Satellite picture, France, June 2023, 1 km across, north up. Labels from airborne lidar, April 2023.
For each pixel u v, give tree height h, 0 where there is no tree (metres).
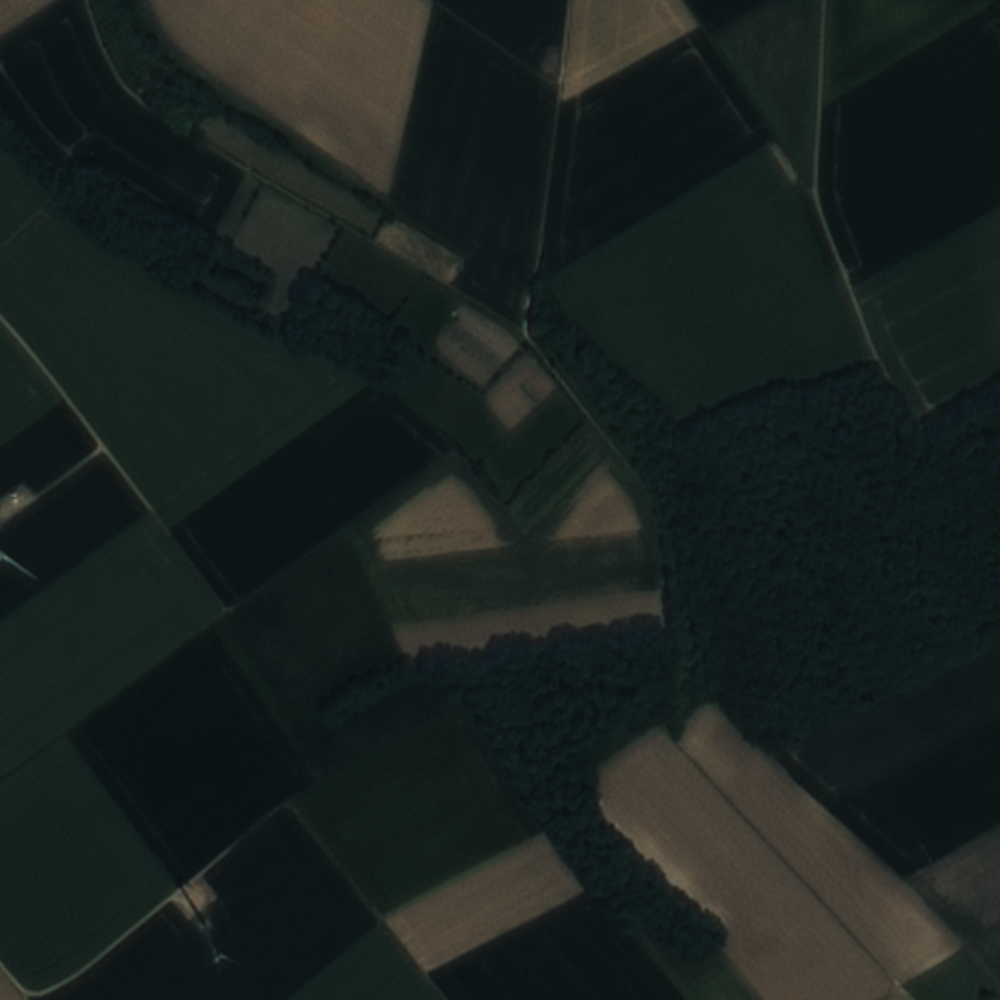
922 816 0
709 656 25
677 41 0
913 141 0
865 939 0
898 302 0
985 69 0
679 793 0
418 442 0
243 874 0
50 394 0
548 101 0
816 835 0
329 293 27
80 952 0
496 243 0
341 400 0
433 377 0
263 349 0
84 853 0
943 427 26
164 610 0
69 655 0
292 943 0
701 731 0
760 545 28
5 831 0
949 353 0
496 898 0
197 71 0
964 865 0
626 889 21
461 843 0
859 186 0
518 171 0
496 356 0
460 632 0
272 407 0
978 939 0
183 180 0
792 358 0
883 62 0
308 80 0
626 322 0
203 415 0
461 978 0
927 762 0
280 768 0
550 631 0
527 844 0
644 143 0
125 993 0
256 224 0
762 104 0
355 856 0
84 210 19
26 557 0
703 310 0
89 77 0
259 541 0
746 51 0
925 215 0
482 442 0
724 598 24
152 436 0
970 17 0
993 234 0
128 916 0
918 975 0
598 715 29
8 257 0
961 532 26
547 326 9
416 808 0
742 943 0
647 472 15
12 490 0
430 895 0
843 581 29
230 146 0
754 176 0
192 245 21
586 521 0
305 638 0
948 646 22
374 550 0
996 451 23
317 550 0
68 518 0
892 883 0
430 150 0
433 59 0
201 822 0
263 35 0
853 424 23
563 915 0
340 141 0
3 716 0
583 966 0
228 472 0
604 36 0
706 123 0
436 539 0
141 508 0
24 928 0
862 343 0
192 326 0
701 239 0
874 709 0
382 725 0
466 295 0
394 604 0
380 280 0
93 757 0
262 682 0
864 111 0
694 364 0
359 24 0
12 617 0
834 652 22
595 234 0
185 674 0
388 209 7
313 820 0
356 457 0
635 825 0
